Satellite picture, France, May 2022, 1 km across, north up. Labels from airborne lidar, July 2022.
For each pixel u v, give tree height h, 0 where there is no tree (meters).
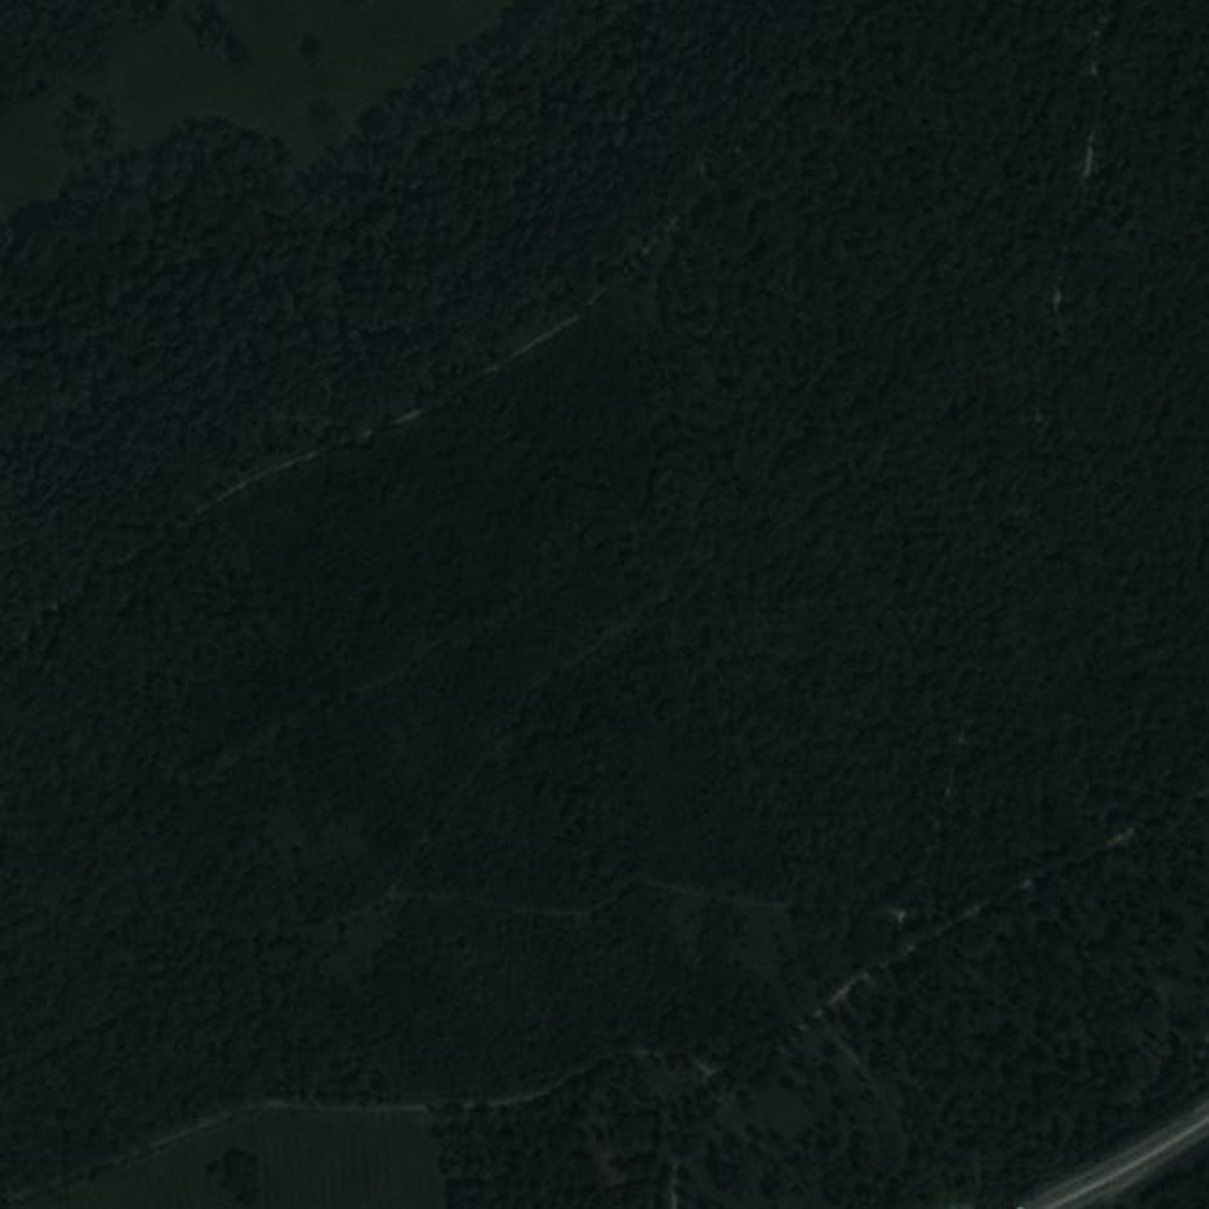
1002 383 20
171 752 23
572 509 24
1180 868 17
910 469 19
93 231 30
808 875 16
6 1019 19
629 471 11
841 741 21
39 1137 21
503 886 6
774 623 21
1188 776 21
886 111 25
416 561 10
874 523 21
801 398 25
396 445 8
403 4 0
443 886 6
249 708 8
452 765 7
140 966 17
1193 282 16
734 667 23
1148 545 18
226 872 18
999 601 17
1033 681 20
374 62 0
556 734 20
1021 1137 19
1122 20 16
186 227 20
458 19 0
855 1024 20
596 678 10
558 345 7
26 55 30
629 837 6
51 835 17
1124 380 18
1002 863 22
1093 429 21
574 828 8
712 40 29
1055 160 18
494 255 39
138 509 20
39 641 20
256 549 7
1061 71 19
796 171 21
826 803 13
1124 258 20
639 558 19
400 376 15
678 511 18
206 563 21
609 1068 23
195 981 21
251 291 33
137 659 26
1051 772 20
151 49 0
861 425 17
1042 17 23
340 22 0
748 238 28
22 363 35
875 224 17
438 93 31
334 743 7
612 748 6
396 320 39
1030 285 21
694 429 22
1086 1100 23
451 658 6
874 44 23
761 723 19
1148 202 24
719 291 26
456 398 14
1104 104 19
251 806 8
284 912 21
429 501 10
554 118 37
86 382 18
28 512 22
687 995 7
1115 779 20
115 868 24
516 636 6
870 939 18
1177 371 18
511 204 38
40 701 23
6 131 0
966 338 24
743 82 22
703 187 20
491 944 6
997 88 22
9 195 0
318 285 34
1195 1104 8
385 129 28
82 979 21
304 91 0
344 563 8
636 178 27
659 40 24
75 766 23
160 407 37
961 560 14
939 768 19
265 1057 27
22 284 19
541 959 7
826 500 25
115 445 35
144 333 34
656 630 20
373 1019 10
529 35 33
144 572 16
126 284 24
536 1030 8
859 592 23
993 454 18
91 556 13
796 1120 0
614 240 25
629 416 6
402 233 37
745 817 8
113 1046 22
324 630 10
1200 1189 20
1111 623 18
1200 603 22
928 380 21
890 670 22
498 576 18
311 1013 24
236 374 34
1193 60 22
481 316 21
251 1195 18
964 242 22
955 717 19
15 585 17
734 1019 14
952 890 16
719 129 25
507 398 9
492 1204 20
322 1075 18
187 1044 19
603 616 6
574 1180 9
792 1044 15
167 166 30
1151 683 24
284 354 37
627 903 10
